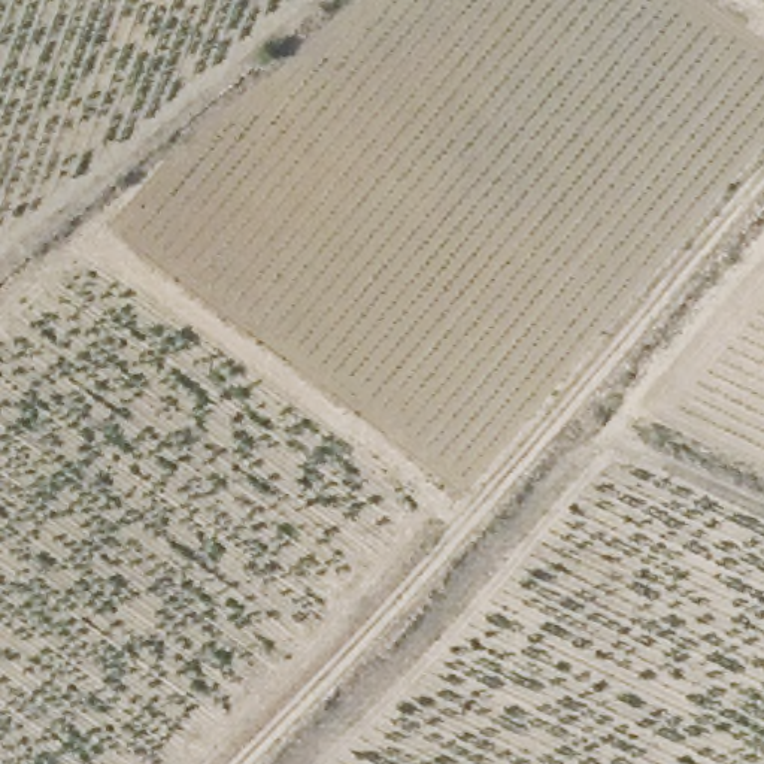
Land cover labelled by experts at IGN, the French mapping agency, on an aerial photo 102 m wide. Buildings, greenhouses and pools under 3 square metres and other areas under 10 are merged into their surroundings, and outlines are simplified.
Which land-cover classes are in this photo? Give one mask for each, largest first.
<instances>
[{"label":"vineyard","instance_id":"1","mask_svg":"<svg viewBox=\"0 0 764 764\"><path fill-rule=\"evenodd\" d=\"M284 36H295L298 51L292 57L272 60L263 51V45ZM764 152V39L749 30V15L728 0H0V764H167L161 755L164 746L182 731V725L191 719L197 707H203L206 698L221 710H230V695L224 692V686L230 680L239 683L233 660H245L248 666H254V654L260 651H266L272 660H292V654L316 657L322 648L334 642V636L346 627L349 615L361 603V597H367L397 570L403 546L412 543L424 522L451 519L448 501L463 498L472 489V478L486 469L495 451L528 418V409H534L540 397H561V391L555 388V376L573 361L582 343L588 337H603L612 343L621 334V328L639 313V307L651 298L657 284L669 272H677L683 257L710 227V221L722 218L725 203L749 176H755L752 167ZM633 433L645 445H654L666 454V478L651 475L648 469H636L630 463H609L600 472L597 486H588L585 495H579L570 504V522L558 546L540 543L525 561L531 573L522 579V603L543 615L537 633L504 615H486L489 624L478 639L451 648V660L445 663L442 677L421 657L442 639L448 624H454L469 609L478 588L489 582V576L507 558V552L528 537L537 519H543L552 510V501L567 489V483L576 480L570 472H561L555 478L552 466L540 460L522 480V486L513 492V498H507L498 507V513H492L489 522L480 525L475 540L466 543L457 558H451L445 576L433 579V585L418 597V603L385 627V633L373 642L367 657L352 666L349 677L337 683L325 704L316 707L310 719L301 722L266 764H764V480L755 475L749 463H731L728 457L704 454L677 430L633 421Z\"/></svg>","mask_w":764,"mask_h":764},{"label":"plowed land","instance_id":"2","mask_svg":"<svg viewBox=\"0 0 764 764\"><path fill-rule=\"evenodd\" d=\"M749 15V30L764 39V0H728ZM755 176H749L725 203L722 218L710 221V227L683 257L677 272H669L657 284L651 298L639 307V313L621 328V334L612 343L603 337H588L582 343L573 361L555 376V388L561 391V397H540L534 409H528V418L495 451L486 469L472 478V489L463 498L448 501L451 519L424 522L412 543L403 546L397 570L367 597H361V603L349 615L346 627L334 636V642L322 648L316 657L292 654V660H272L266 651H260L254 654V666H248L245 660H233L239 683L230 680L224 686V692L230 695V710H221L206 698L203 707H197L191 719L182 725V731L164 746L161 755L167 764H266L301 722L310 719L316 707L325 704L337 683L349 677L352 666L367 657L373 642L385 633V627L418 603V597L433 585V579L445 576L451 558H457L466 543L475 540L480 525L489 522L492 513H498V507L507 498H513V492L522 486V480L540 460L552 466L555 478L561 472H570L576 480L567 483V489L552 501V510L543 519H537L528 537L507 552V558L489 576V582L478 588L469 609L454 624H448L442 639L421 657L442 677L445 663L451 660V648L478 639L489 624L486 615H504L537 633L543 615L522 603V579L531 573L525 561L540 543L558 546L570 522V504L579 495H585L588 486H597L600 472L609 463H630L636 469H648L651 475L666 478V454L654 445H645L633 433V421L677 430L704 454L728 457L731 463H749L755 475L764 480V152L752 167Z\"/></svg>","mask_w":764,"mask_h":764},{"label":"herbaceous vegetation","instance_id":"3","mask_svg":"<svg viewBox=\"0 0 764 764\"><path fill-rule=\"evenodd\" d=\"M263 51L272 60L292 57L298 51L295 36H284L263 45Z\"/></svg>","mask_w":764,"mask_h":764}]
</instances>
